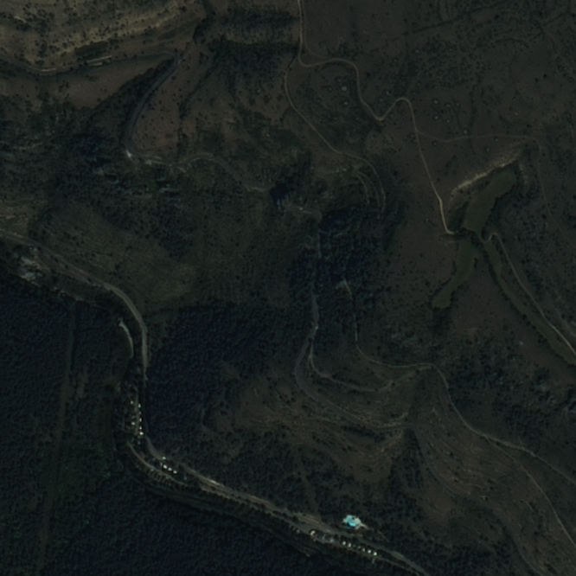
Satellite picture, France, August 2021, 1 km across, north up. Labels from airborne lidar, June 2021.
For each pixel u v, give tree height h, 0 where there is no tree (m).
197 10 0
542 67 0
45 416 11
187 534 19
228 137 0
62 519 13
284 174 7
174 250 8
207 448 11
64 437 11
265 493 15
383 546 11
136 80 7
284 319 8
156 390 16
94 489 15
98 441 8
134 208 11
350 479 10
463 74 0
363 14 0
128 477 22
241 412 0
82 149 7
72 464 7
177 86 0
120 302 13
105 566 13
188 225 10
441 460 0
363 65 0
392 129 0
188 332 15
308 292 8
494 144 0
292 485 16
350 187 8
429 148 0
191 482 12
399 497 13
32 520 12
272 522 13
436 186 0
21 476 14
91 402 16
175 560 17
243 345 14
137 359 11
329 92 0
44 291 11
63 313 20
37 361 17
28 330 23
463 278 0
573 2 0
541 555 0
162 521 18
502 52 0
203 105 0
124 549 12
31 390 13
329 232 9
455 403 8
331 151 0
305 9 0
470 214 0
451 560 6
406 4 0
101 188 8
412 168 0
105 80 0
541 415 13
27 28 8
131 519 9
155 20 0
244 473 6
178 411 19
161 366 11
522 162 0
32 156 10
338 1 0
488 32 0
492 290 0
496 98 0
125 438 16
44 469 8
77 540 20
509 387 10
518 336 0
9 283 10
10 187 6
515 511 0
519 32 0
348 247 7
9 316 21
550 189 0
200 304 7
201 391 13
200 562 17
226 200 7
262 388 0
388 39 0
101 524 16
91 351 13
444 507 0
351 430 10
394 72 0
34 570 13
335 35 0
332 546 8
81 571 16
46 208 6
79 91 0
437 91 0
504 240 7
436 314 7
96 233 0
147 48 0
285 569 17
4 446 18
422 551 11
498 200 10
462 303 0
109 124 0
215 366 7
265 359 7
